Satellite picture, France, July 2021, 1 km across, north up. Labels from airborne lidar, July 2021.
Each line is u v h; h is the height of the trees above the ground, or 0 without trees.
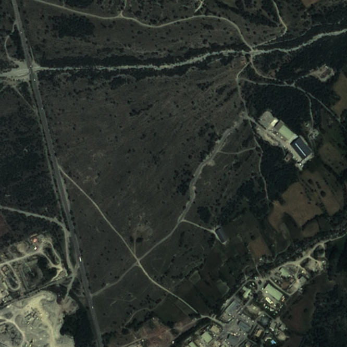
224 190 8
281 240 0
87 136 0
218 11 0
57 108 0
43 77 6
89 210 0
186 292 0
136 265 0
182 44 0
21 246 0
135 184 0
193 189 0
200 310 0
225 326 0
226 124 0
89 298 0
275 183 11
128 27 0
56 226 6
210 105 0
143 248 0
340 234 9
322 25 7
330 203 0
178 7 0
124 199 0
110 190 0
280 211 0
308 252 0
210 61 6
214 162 0
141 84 0
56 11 0
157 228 0
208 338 0
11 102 0
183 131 0
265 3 8
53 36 7
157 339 0
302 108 9
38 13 0
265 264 7
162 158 0
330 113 10
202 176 0
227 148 0
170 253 0
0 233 0
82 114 0
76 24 8
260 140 8
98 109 0
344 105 0
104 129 0
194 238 0
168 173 0
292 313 0
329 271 14
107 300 0
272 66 6
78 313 10
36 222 5
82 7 8
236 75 0
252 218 0
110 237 0
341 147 10
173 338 0
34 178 7
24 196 7
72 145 0
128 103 9
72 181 0
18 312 0
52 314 0
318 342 9
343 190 6
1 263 0
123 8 8
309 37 5
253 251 0
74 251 0
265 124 0
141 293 0
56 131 0
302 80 10
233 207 6
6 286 0
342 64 9
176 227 0
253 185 7
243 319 0
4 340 0
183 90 0
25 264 0
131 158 0
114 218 0
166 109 0
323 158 0
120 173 0
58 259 0
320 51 9
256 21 7
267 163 9
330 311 7
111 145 0
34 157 6
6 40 0
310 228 0
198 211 9
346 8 6
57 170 0
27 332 0
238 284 6
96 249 0
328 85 11
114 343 0
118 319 0
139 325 11
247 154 0
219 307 13
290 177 10
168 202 0
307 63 7
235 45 7
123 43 0
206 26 7
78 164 0
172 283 0
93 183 0
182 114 0
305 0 0
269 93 7
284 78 8
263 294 0
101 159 0
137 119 0
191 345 0
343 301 7
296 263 0
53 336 0
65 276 6
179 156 0
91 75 7
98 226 0
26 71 0
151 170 0
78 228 0
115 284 0
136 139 0
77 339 11
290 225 0
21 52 8
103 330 0
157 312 0
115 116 9
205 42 7
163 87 0
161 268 0
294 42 8
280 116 10
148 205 0
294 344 0
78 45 0
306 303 0
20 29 0
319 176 0
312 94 8
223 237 0
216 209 9
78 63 6
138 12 6
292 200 0
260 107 7
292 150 0
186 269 0
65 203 0
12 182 6
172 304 0
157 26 0
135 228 0
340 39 6
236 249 0
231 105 0
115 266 0
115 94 0
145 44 0
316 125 9
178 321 0
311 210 0
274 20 10
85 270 0
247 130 0
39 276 0
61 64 7
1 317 0
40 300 0
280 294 0
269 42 7
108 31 0
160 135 0
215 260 0
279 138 0
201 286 0
